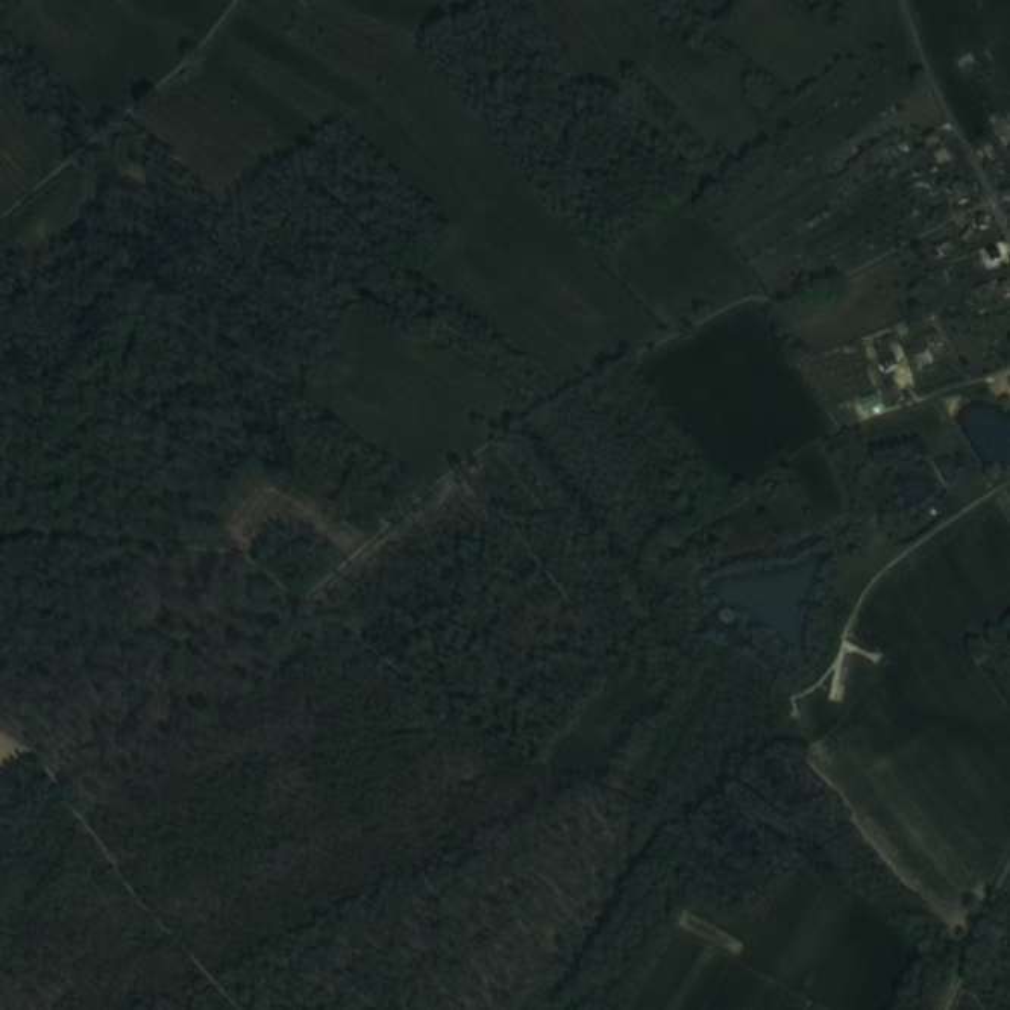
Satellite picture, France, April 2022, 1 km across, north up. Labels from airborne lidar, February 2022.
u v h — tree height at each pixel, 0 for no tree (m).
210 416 33
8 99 0
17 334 31
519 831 32
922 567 0
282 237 15
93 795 25
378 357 0
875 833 0
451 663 19
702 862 24
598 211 21
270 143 0
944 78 0
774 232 0
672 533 28
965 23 0
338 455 22
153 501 27
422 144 0
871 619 0
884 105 0
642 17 0
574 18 0
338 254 24
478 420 13
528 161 18
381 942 30
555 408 15
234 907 13
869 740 0
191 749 24
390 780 17
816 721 0
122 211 30
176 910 19
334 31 0
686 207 0
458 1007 27
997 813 0
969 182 0
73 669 30
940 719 0
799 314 13
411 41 0
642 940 25
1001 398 7
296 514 0
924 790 0
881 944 0
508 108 23
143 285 28
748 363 0
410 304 28
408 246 24
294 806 20
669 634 6
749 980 0
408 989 31
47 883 17
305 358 28
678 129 11
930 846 0
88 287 27
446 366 0
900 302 0
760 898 22
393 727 20
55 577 25
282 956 26
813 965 0
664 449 26
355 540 0
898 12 0
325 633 26
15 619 26
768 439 0
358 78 0
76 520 25
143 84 0
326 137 17
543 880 33
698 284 0
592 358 0
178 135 0
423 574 23
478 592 17
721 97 0
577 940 32
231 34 0
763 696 18
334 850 16
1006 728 0
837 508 0
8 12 21
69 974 21
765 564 12
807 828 29
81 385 29
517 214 0
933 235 0
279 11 0
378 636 10
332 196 26
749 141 0
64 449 21
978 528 0
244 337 28
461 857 22
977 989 15
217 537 27
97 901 23
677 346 0
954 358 0
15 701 29
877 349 6
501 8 24
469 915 32
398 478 25
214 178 0
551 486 24
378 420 0
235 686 30
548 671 10
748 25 0
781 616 0
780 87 11
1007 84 0
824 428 0
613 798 36
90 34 0
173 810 18
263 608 29
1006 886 0
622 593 20
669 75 0
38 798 21
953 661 0
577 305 0
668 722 23
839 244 0
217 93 0
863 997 0
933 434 0
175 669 27
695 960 0
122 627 32
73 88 0
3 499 24
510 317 0
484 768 20
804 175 0
